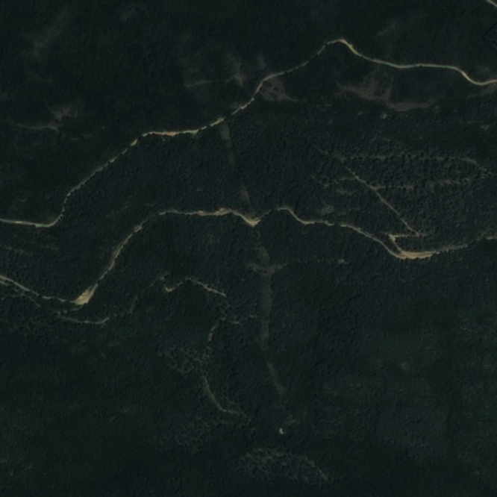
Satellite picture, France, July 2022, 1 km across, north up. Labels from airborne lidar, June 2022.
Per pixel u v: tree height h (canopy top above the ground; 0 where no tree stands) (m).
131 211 12
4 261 18
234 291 19
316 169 17
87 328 19
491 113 15
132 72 13
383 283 14
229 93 6
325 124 16
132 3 8
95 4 10
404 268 10
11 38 6
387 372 16
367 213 15
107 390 13
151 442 12
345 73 8
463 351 9
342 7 8
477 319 7
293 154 18
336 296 15
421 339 15
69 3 7
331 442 16
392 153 19
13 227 9
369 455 13
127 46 13
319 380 13
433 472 12
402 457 17
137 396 15
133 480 20
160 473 17
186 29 6
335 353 10
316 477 20
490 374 9
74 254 13
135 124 8
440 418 18
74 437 15
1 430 8
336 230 18
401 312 11
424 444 15
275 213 18
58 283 17
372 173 17
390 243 13
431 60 5
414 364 9
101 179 17
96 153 8
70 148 9
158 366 16
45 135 13
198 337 17
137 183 17
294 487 17
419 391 12
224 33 7
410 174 19
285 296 15
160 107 7
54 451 15
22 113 8
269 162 21
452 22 7
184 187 18
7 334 13
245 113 11
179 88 9
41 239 10
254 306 14
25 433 7
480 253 16
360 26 8
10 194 6
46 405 10
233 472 19
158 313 20
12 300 16
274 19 9
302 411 19
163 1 10
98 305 17
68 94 12
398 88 6
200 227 11
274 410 17
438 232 17
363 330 14
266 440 23
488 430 8
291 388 15
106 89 11
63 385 17
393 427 15
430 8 6
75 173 11
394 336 15
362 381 15
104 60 9
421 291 12
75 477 14
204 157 17
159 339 21
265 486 14
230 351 24
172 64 6
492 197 15
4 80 9
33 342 10
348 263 10
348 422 12
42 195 7
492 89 0
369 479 10
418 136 15
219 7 9
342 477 17
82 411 14
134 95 13
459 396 9
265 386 11
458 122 15
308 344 17
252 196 14
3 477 19
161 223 16
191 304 21
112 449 17
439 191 15
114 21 10
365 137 13
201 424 21
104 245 12
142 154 17
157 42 7
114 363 14
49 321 16
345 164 17
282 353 15
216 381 19
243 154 17
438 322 14
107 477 17
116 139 14
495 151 11
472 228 14
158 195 17
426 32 7
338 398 13
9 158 10
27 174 5
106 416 15
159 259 18
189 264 15
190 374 16
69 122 5
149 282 21
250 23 10
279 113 10
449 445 15
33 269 19
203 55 6
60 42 8
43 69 9
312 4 5
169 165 21
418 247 9
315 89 6
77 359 10
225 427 19
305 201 15
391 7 10
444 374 16
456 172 22
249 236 11
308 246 18
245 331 13
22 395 11
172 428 19
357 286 16
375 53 6
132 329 7
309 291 19
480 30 7
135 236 15
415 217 16
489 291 15
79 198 11
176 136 9
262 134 13
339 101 7
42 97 8
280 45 6
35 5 12
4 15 10
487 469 6
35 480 9
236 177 12
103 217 6
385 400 11
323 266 15
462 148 17
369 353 13
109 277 15
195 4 9
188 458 17
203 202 18
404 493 17
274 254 15
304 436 9
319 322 15
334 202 12
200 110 6
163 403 16
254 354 15
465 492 12
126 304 21
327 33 7
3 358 9
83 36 14
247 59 6
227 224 11
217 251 15
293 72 6
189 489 11
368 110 7
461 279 13
